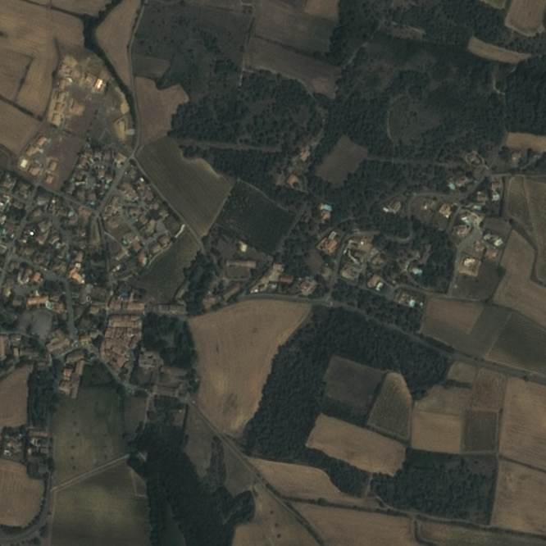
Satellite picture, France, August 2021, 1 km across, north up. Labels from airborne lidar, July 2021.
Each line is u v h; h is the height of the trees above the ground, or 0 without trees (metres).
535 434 0
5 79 0
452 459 13
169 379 0
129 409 0
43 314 0
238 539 0
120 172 0
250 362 0
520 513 0
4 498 0
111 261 0
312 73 0
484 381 0
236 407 0
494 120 15
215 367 0
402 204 6
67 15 0
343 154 0
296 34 0
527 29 0
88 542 0
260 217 7
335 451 0
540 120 18
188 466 9
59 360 9
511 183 0
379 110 12
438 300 0
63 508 0
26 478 0
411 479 15
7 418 0
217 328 0
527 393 0
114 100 0
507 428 0
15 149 0
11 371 0
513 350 0
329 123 10
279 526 0
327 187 14
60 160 0
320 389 8
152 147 0
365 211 12
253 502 13
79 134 0
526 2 0
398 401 0
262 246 7
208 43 9
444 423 0
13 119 0
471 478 12
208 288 8
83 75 0
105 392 0
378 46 0
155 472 28
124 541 0
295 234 13
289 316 0
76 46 0
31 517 0
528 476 0
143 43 9
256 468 0
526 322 0
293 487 0
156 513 12
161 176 0
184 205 0
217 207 0
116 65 0
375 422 0
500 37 7
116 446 0
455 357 0
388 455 0
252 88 9
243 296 0
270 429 8
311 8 0
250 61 0
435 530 0
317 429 0
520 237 0
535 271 0
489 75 16
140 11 6
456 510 17
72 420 0
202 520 11
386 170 10
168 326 8
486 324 0
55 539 0
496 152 0
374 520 0
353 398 0
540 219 0
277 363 15
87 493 0
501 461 0
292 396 12
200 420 0
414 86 9
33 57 0
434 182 9
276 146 11
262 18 0
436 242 12
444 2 11
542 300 0
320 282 10
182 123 12
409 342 8
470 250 0
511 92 19
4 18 0
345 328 15
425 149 11
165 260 0
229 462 0
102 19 9
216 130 12
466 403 0
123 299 0
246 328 0
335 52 16
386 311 15
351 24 7
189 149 10
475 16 11
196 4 0
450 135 13
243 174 13
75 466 0
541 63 17
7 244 0
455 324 0
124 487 0
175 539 0
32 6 0
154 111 0
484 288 0
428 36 11
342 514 0
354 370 0
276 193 11
